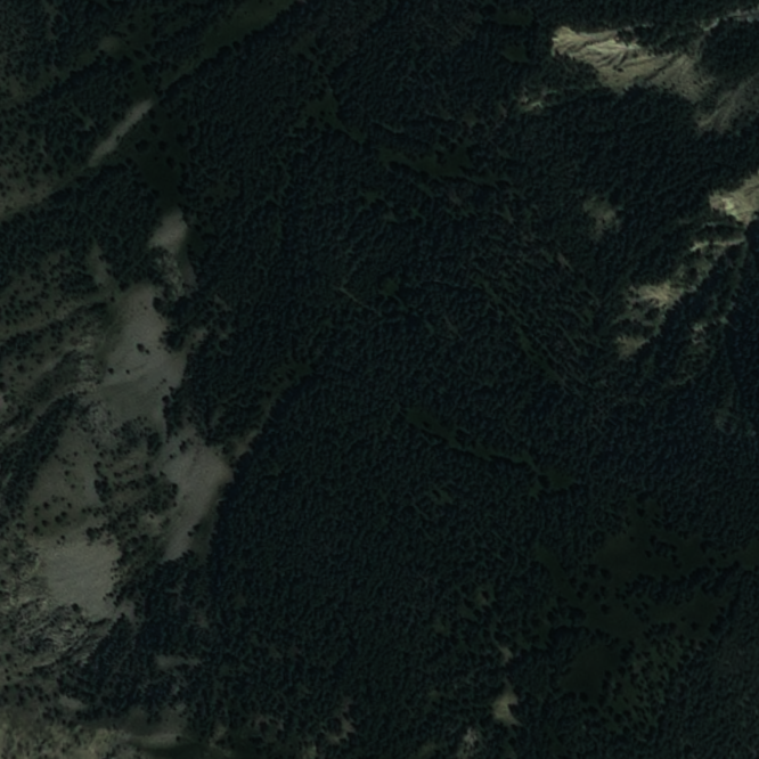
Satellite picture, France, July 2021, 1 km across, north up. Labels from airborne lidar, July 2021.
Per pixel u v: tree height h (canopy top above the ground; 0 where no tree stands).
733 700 15
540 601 26
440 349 32
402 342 31
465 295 31
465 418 24
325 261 21
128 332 0
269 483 37
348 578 27
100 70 27
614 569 0
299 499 30
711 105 8
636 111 25
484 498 28
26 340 15
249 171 14
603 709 19
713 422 17
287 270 22
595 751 24
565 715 22
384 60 18
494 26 21
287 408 33
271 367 17
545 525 26
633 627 0
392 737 21
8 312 13
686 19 20
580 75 10
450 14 29
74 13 29
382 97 23
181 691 9
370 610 29
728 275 28
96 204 30
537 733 27
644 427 28
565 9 21
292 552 27
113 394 0
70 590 0
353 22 26
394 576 30
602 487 28
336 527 23
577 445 31
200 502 0
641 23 23
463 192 21
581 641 28
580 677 0
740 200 0
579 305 22
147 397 0
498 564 25
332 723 18
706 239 8
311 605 31
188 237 0
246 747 0
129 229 27
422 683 11
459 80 21
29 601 0
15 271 14
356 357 32
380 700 27
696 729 25
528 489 31
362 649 28
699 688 20
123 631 7
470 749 7
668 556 20
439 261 35
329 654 29
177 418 16
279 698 10
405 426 30
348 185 26
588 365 24
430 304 28
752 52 26
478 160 20
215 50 0
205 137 19
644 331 13
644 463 19
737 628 16
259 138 22
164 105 14
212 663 23
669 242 29
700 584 20
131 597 10
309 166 18
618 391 30
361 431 29
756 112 9
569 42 0
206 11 18
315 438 32
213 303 15
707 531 14
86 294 9
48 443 11
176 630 19
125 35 8
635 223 27
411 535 35
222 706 21
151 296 0
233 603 25
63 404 17
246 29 0
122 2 9
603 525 25
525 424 25
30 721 0
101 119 24
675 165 30
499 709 0
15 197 0
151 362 0
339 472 31
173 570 22
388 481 31
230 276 25
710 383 21
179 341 20
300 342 26
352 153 22
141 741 0
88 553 0
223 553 31
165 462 0
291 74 27
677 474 22
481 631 24
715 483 24
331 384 31
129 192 21
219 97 20
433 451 25
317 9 18
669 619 0
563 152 26
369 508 30
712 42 14
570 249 15
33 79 15
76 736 10
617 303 11
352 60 25
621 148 27
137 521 9
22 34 8
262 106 26
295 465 27
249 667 21
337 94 15
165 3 19
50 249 9
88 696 14
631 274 7
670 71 0
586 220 19
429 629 15
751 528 19
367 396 31
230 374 15
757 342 28
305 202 27
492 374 26
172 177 0
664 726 26
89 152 19
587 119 31
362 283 14
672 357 17
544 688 22
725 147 25
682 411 30
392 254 15
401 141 28
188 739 0
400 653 23
